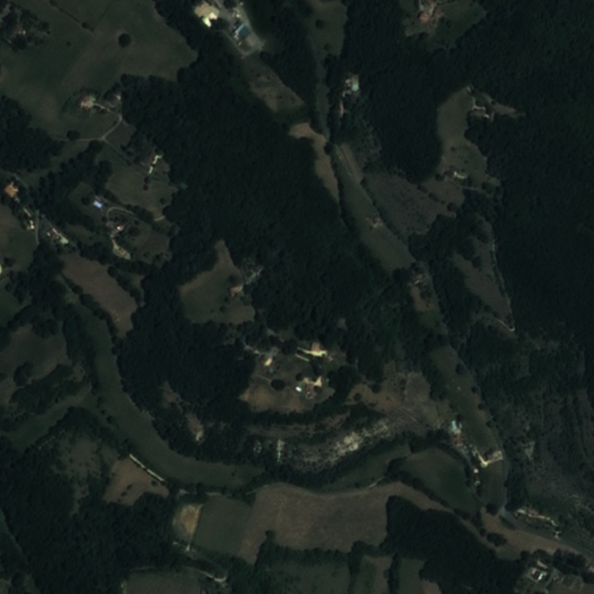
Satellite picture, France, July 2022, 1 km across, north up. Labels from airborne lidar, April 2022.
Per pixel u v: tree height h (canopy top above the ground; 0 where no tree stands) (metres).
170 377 18
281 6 10
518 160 16
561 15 13
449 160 0
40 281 21
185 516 0
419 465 0
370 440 9
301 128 0
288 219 19
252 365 15
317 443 7
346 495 0
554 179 17
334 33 0
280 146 17
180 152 12
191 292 0
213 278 0
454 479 0
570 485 0
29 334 0
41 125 0
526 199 15
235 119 23
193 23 15
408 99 20
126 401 0
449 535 16
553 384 6
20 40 13
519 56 17
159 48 0
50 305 18
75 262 0
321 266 7
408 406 0
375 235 0
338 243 8
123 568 15
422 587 0
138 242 0
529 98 15
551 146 17
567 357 8
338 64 20
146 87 18
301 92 12
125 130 0
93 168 13
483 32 19
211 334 13
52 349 0
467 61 20
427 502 0
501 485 0
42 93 0
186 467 0
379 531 0
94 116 0
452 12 0
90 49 0
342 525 0
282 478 18
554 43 15
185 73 21
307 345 0
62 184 23
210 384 21
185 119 17
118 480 0
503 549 0
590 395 11
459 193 0
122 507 11
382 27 21
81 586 21
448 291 17
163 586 0
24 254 0
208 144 18
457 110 0
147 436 0
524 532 0
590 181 16
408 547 14
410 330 12
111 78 0
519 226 12
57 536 12
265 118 16
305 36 15
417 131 16
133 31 0
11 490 15
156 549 9
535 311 9
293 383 0
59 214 22
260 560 13
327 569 0
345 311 18
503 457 0
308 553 12
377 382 10
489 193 9
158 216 0
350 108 13
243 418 16
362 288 11
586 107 12
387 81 20
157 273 17
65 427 15
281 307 13
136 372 20
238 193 22
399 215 0
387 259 0
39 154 25
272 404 0
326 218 14
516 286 8
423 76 21
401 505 19
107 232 10
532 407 7
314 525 0
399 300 14
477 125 16
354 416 12
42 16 0
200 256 19
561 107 11
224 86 30
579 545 0
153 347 13
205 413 11
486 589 18
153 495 9
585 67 14
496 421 11
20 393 15
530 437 7
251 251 13
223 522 0
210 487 7
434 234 11
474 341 13
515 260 12
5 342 20
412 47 18
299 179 13
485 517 0
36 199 24
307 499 0
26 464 22
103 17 0
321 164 0
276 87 0
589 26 10
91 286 0
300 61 14
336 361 0
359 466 15
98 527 10
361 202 0
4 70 0
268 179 18
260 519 0
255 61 0
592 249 14
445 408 0
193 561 5
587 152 17
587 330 13
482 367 13
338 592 0
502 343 12
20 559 13
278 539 0
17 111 19
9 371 0
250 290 13
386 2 23
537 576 0
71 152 0
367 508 0
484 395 14
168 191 0
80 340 17
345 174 0
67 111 7
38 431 0
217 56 16
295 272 13
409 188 0
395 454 0
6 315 0
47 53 0
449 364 0
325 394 0
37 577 13
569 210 17
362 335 14
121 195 0
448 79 18
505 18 25
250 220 16
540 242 18
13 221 0
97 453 6
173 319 16
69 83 0
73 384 17
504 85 20
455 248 16
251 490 7
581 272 13
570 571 17
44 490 16
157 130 13
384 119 14
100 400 8
